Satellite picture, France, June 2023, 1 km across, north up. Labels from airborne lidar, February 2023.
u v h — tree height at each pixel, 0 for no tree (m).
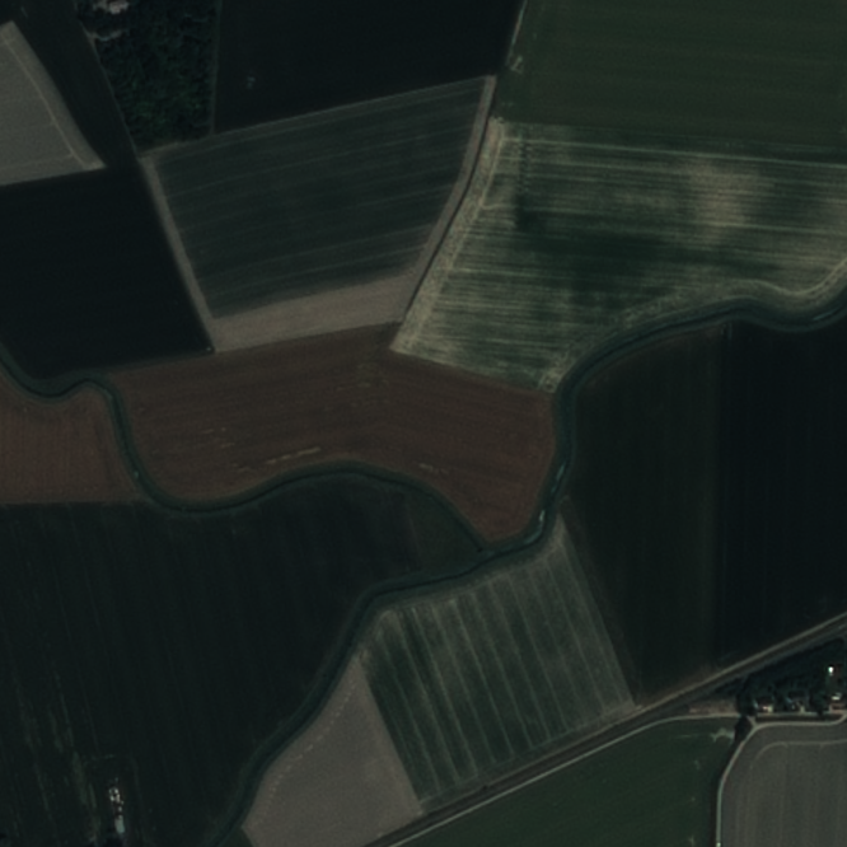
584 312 0
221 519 0
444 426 0
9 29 0
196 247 0
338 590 0
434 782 0
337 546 0
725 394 0
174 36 18
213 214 0
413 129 0
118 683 0
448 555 0
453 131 0
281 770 0
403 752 0
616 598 0
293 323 0
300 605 0
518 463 0
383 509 0
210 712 0
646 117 0
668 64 0
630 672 0
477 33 0
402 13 0
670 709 0
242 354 0
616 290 0
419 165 0
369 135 0
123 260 0
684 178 0
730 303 0
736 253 0
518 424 0
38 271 0
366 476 0
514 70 0
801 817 0
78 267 0
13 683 0
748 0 0
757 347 0
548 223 0
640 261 0
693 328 0
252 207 0
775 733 0
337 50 0
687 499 0
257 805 0
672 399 0
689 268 0
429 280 0
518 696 0
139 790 0
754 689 12
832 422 0
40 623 0
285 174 0
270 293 0
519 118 0
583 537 0
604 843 0
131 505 0
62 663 0
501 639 0
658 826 0
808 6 0
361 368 0
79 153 0
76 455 0
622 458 0
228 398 0
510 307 0
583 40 0
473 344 0
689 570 0
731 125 0
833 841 0
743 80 0
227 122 0
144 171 0
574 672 0
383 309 0
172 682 0
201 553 0
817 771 0
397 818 0
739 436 0
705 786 0
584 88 0
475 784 0
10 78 0
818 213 0
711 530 0
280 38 0
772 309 0
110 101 0
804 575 0
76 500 0
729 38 0
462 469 0
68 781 0
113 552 0
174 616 0
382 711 0
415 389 0
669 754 0
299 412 0
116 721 0
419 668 0
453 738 0
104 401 0
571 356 0
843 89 0
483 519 0
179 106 9
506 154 0
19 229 0
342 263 0
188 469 0
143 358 0
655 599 0
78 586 0
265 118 0
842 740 0
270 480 0
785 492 0
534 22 0
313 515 0
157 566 0
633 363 0
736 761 0
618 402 0
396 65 0
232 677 0
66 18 0
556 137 0
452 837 0
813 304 0
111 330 0
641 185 0
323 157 0
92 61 0
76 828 0
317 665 0
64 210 0
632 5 0
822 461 0
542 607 0
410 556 0
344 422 0
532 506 0
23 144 0
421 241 0
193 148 0
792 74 0
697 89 0
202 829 0
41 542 0
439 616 0
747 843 0
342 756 0
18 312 0
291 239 0
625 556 0
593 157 0
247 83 0
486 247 0
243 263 0
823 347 0
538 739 0
